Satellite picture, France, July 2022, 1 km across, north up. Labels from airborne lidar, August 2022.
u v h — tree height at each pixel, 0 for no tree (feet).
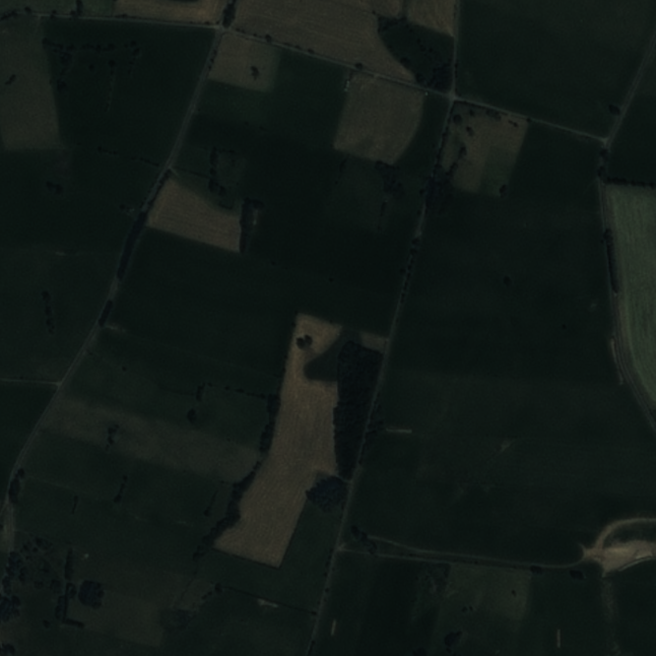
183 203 0
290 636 0
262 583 0
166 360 0
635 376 0
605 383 0
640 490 0
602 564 0
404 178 0
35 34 0
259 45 0
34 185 0
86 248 0
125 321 0
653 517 0
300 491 0
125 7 0
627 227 0
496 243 0
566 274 0
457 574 0
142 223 60
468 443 0
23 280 0
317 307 0
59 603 25
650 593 0
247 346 0
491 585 0
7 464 0
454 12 0
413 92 0
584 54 0
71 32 0
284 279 0
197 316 0
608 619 0
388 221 0
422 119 0
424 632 0
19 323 0
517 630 0
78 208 0
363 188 0
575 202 0
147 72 0
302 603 0
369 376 34
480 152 0
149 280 0
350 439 37
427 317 0
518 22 0
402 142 0
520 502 0
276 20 0
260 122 0
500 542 0
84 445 0
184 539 0
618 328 0
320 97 0
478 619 0
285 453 0
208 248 0
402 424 0
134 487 0
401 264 0
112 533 0
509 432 0
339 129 0
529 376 0
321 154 0
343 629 0
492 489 0
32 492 0
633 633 0
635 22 0
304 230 0
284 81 0
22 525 0
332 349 0
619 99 0
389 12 0
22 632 0
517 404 0
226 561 0
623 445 0
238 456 0
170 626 0
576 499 0
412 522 0
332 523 0
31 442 0
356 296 0
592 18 0
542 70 0
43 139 0
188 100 0
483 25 0
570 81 0
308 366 0
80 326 0
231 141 0
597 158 0
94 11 0
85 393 0
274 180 0
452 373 0
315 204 0
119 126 0
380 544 0
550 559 0
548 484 0
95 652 0
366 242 0
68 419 0
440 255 0
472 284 0
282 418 0
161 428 0
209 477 0
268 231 0
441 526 0
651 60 0
